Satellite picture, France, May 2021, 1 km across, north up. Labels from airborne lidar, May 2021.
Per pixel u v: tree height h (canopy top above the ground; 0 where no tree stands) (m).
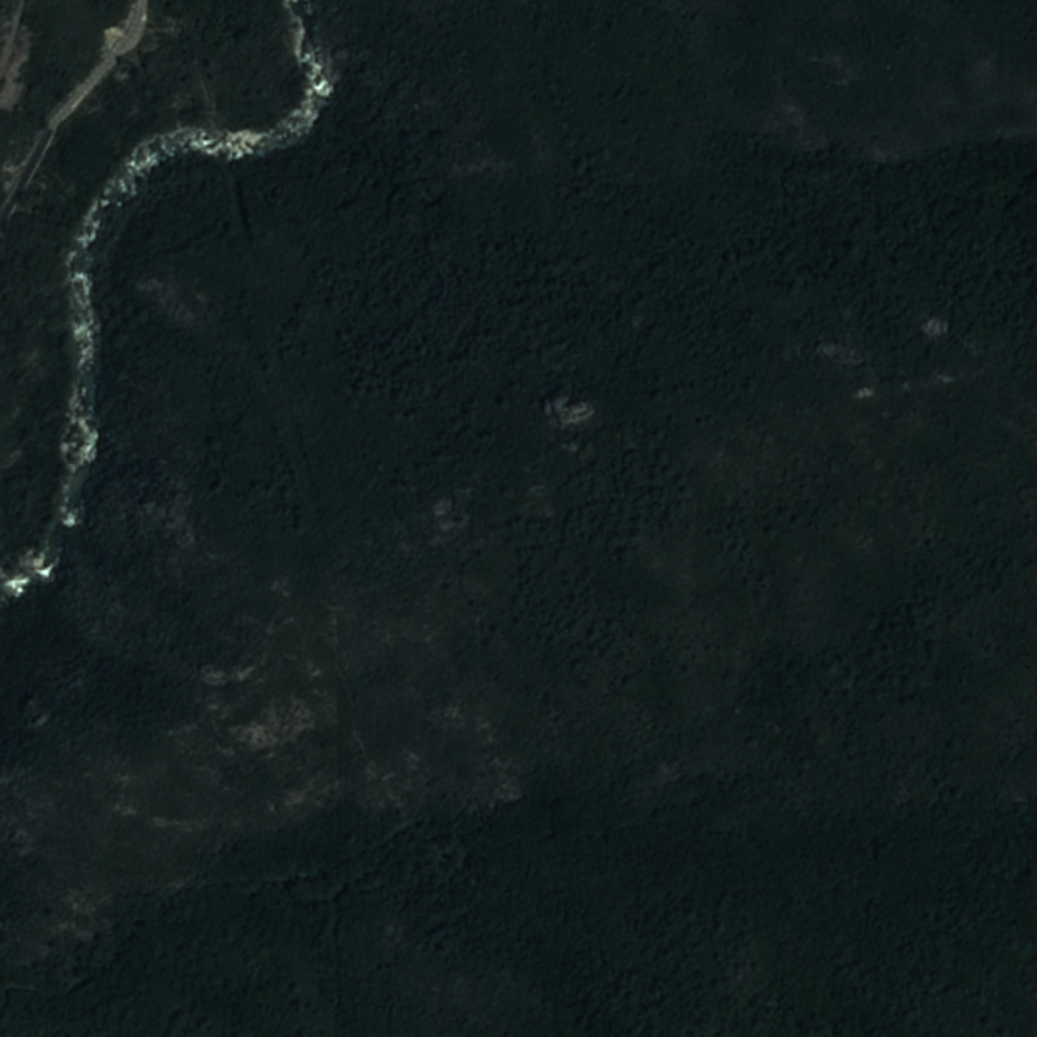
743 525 14
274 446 5
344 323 6
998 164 15
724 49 6
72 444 10
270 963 8
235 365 6
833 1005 22
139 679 11
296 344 6
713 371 12
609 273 7
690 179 6
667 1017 6
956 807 13
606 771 10
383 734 7
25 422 10
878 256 6
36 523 9
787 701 9
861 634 9
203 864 9
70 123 6
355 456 6
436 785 7
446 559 5
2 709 17
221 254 6
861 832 24
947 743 7
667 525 12
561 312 6
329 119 12
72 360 10
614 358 7
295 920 12
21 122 8
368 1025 7
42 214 13
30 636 17
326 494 6
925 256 10
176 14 8
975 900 18
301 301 7
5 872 13
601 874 17
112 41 0
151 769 0
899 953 14
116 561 7
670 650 12
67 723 6
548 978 11
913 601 7
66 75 13
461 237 10
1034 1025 6
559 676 10
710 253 11
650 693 6
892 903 16
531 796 12
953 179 10
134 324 20
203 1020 6
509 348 7
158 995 6
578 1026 17
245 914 15
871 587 8
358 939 9
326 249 7
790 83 7
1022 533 6
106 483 7
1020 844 25
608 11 7
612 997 22
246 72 9
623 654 9
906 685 16
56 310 6
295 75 7
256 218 14
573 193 9
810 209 8
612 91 7
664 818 22
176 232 17
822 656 9
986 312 8
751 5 7
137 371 7
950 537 6
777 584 7
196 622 8
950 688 7
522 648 7
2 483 8
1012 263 13
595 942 13
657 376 6
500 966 8
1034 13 7
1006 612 8
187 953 12
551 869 13
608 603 6
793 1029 19
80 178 8
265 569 6
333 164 16
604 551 6
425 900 16
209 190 14
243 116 8
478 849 19
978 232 9
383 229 10
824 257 15
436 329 19
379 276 15
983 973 15
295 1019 7
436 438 7
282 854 15
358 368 12
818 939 25
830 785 11
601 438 8
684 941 9
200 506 7
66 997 14
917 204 8
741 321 9
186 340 14
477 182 5
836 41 5
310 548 8
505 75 6
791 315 5
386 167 19
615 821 16
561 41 8
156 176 9
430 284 16
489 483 6
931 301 7
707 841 15
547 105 8
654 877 10
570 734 6
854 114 6
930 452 6
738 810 8
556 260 12
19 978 11
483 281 22
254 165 15
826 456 6
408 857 16
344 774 7
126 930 18
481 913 12
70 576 8
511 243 9
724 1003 13
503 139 6
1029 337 12
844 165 12
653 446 9
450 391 9
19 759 7
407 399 19
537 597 17
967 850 17
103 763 0
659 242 10
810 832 15
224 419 8
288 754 7
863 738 8
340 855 21
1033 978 7
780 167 14
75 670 7
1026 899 17
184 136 0
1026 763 6
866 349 8
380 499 6
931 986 11
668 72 11
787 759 8
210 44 8
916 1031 9
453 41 7
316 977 7
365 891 12
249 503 17
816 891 19
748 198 10
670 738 8
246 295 15
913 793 8
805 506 8
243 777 7
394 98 6
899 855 17
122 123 8
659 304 9
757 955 7
